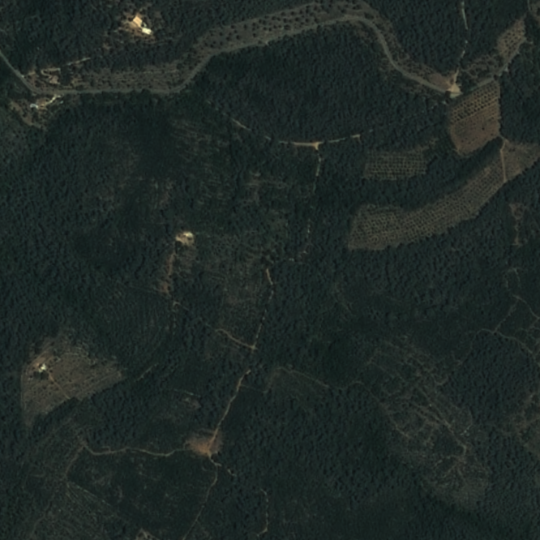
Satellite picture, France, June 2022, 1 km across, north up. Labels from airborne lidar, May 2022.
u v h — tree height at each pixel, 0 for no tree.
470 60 7
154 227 6
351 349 7
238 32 13
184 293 9
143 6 19
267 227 15
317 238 12
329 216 13
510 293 9
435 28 15
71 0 8
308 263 9
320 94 18
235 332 8
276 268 21
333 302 12
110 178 12
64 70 8
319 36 10
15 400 14
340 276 10
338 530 7
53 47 13
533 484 16
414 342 10
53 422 15
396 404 6
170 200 5
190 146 8
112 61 15
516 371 14
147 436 6
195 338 16
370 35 7
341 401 19
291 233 11
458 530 20
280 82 10
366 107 11
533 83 9
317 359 11
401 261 15
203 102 12
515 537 12
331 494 6
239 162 16
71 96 11
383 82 17
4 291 8
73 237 15
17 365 18
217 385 17
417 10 16
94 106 13
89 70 15
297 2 14
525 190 20
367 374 7
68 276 19
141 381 10
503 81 6
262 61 15
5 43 13
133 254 5
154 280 10
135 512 5
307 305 16
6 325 19
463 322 6
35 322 14
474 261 15
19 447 17
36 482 6
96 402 18
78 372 0
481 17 15
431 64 17
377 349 11
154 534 8
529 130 19
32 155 6
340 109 8
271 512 10
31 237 17
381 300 8
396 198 18
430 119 16
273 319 17
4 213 17
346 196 19
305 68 14
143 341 7
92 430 8
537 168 18
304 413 8
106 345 11
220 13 20
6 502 17
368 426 10
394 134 6
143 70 7
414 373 9
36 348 6
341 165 14
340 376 7
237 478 13
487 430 17
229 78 16
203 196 6
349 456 17
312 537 8
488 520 17
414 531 6
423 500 13
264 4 8
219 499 7
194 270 7
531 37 9
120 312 6
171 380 10
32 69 18
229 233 8
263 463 6
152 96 12
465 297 19
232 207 6
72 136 8
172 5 14
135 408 14
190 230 15
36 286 16
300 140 18
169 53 13
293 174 7
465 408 17
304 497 7
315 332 12
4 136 12
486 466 9
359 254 12
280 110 15
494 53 17
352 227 11
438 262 15
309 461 15
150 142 6
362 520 6
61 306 16
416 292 15
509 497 19
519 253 12
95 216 17
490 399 6
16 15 15
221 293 14
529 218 7
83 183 16
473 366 15
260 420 12
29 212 16
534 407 9
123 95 10
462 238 12
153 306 7
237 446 7
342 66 15
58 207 17
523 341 6
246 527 17
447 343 7
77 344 11
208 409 18
